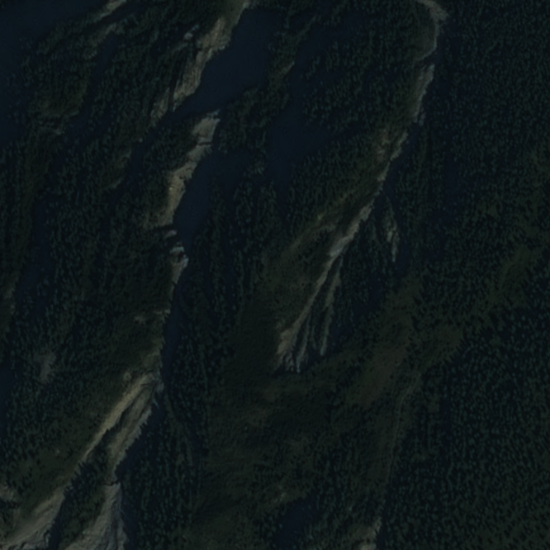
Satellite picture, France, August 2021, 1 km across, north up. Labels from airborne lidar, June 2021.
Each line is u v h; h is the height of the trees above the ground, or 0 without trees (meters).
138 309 7
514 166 21
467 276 7
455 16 6
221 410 5
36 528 0
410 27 8
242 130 6
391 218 15
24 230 17
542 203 8
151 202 13
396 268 10
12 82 7
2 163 23
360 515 8
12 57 9
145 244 11
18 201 26
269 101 7
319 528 12
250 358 6
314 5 15
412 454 23
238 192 15
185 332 6
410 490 21
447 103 21
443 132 12
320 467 7
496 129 21
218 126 0
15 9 7
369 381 0
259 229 27
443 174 7
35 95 18
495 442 13
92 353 21
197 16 7
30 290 12
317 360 6
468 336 18
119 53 18
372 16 20
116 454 0
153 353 0
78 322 7
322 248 17
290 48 8
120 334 13
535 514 26
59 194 29
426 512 10
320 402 5
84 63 8
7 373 13
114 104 22
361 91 19
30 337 6
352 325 5
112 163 13
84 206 22
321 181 25
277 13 15
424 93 0
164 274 11
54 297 15
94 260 10
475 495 16
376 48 14
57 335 18
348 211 7
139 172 7
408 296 0
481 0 26
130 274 7
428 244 9
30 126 17
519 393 22
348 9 19
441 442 12
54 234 29
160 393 0
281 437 6
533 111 10
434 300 22
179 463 16
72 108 8
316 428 6
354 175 23
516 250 22
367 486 6
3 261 11
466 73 12
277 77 9
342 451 6
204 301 6
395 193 9
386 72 13
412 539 9
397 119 14
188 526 9
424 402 7
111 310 9
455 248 22
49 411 8
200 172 0
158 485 16
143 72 11
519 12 23
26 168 26
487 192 16
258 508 6
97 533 0
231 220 6
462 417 21
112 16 0
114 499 0
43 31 8
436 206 7
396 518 12
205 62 0
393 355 0
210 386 7
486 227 12
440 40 0
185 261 0
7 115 11
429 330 8
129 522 0
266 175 7
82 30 12
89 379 10
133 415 0
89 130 12
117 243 8
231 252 7
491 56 11
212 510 6
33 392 10
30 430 15
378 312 17
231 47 0
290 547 6
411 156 8
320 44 13
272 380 6
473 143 24
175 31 13
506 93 21
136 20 6
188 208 0
